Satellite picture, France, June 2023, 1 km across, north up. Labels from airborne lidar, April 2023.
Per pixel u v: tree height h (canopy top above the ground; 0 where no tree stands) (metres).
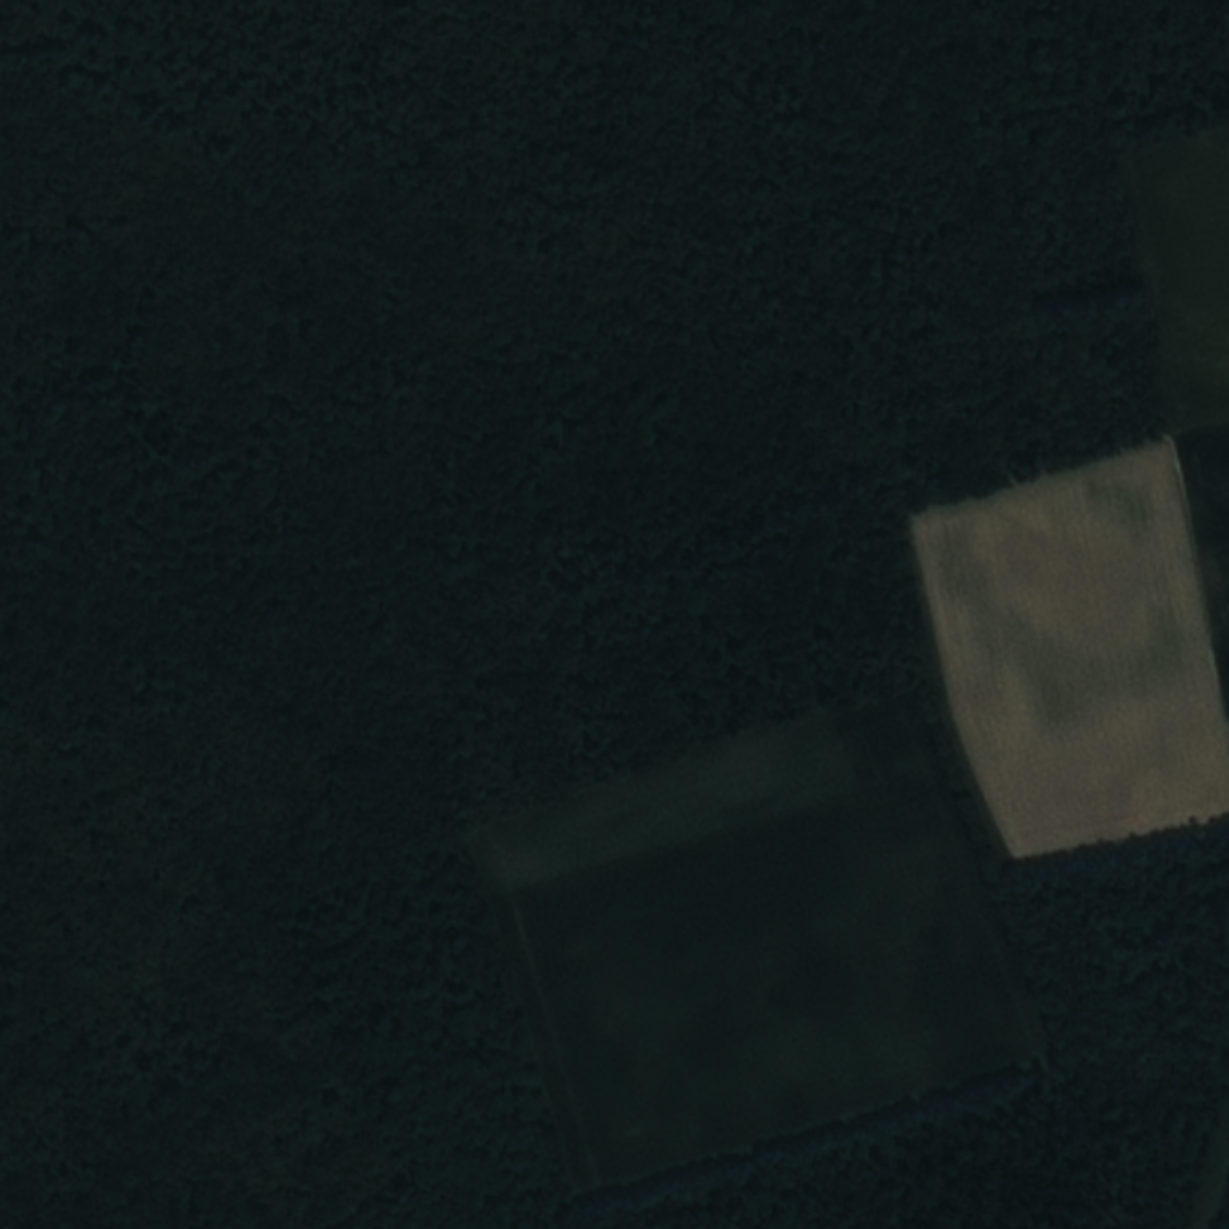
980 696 0
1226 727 0
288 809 23
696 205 20
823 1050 0
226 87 25
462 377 24
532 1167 23
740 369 26
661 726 19
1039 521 0
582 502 23
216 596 22
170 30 22
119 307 29
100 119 24
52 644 25
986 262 24
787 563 29
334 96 20
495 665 23
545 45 23
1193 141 0
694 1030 0
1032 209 21
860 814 0
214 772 26
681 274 23
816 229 22
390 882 23
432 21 22
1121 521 0
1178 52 24
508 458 27
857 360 21
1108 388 20
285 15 18
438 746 24
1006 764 0
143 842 23
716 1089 0
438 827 22
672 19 22
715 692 12
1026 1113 24
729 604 26
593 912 0
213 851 23
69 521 19
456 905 19
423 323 22
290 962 19
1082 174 24
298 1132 22
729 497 23
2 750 22
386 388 22
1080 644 0
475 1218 24
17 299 26
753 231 18
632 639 22
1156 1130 20
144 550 22
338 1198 25
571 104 13
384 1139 23
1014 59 26
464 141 23
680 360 25
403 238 23
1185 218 0
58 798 22
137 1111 28
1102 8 27
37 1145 25
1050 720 0
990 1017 0
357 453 25
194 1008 22
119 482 17
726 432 25
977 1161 7
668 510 23
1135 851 18
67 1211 25
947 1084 0
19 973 21
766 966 0
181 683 20
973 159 27
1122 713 0
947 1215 24
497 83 17
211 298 25
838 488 24
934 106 28
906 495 24
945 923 0
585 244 22
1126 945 23
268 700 24
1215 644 0
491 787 25
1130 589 0
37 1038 24
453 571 25
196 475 7
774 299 19
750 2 25
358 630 24
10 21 23
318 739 22
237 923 28
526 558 24
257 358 19
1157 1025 20
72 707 20
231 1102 26
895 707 0
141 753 23
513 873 0
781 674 21
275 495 21
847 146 27
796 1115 0
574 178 20
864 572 23
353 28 11
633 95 21
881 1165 22
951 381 23
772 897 0
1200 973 23
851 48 26
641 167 22
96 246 28
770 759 0
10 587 25
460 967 19
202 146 23
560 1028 0
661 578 26
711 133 25
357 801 24
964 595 0
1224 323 0
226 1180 26
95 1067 23
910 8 29
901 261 19
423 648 26
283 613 26
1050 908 22
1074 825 0
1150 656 0
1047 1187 8
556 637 28
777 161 22
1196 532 0
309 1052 24
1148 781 0
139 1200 25
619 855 0
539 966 0
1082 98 23
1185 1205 7
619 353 23
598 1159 0
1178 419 0
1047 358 26
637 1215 22
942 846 0
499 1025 19
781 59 22
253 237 24
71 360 25
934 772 0
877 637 24
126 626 23
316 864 26
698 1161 0
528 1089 17
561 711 23
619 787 0
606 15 16
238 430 22
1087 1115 22
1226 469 0
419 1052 19
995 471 22
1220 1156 0
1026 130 20
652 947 0
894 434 21
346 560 25
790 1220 20
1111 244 22
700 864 0
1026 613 0
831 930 0
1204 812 0
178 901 25
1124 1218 7
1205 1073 21
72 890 22
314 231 23
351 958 23
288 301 23
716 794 0
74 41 23
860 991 0
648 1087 0
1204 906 22
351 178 24
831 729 0
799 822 0
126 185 24
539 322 26
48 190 23
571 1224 25
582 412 24
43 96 23
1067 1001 20
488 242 22
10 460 24
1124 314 24
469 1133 16
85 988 26
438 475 23
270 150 25
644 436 21
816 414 23
